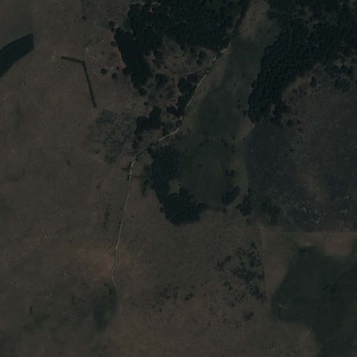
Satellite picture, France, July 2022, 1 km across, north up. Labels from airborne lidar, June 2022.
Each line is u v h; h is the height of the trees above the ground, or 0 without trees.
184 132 0
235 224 0
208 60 0
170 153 7
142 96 9
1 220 0
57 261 0
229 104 0
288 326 0
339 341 0
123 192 0
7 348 0
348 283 0
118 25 0
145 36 22
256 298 0
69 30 0
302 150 0
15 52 11
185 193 12
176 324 0
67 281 0
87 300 0
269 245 0
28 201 0
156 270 0
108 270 0
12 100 0
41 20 0
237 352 0
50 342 0
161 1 17
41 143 0
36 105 0
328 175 0
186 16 18
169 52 0
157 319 0
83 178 0
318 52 23
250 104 16
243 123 0
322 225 0
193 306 0
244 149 0
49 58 0
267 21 0
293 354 0
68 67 0
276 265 0
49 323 0
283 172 0
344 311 0
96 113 0
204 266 0
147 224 0
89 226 0
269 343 0
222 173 0
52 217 0
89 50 0
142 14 19
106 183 0
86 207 0
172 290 0
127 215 0
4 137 0
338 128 0
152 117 15
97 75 0
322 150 0
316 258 0
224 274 0
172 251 0
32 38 10
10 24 0
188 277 0
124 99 0
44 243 0
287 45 21
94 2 0
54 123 0
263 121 0
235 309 0
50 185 0
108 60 0
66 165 0
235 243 0
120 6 0
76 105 0
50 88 0
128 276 0
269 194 0
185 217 15
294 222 0
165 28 15
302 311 0
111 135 0
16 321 0
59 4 0
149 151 13
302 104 0
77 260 0
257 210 0
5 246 0
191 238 0
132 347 0
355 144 0
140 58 22
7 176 0
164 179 6
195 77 17
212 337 0
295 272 0
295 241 0
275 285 0
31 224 0
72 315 0
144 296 0
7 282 0
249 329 0
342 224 0
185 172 0
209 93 0
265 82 19
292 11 7
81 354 0
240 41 0
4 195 0
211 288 0
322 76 0
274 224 7
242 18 8
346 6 17
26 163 0
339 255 0
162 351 0
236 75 0
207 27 21
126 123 0
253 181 0
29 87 0
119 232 0
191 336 0
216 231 0
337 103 0
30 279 0
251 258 0
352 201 0
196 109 0
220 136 0
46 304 0
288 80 18
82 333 0
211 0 17
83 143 0
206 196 0
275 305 0
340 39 16
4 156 0
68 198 0
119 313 0
